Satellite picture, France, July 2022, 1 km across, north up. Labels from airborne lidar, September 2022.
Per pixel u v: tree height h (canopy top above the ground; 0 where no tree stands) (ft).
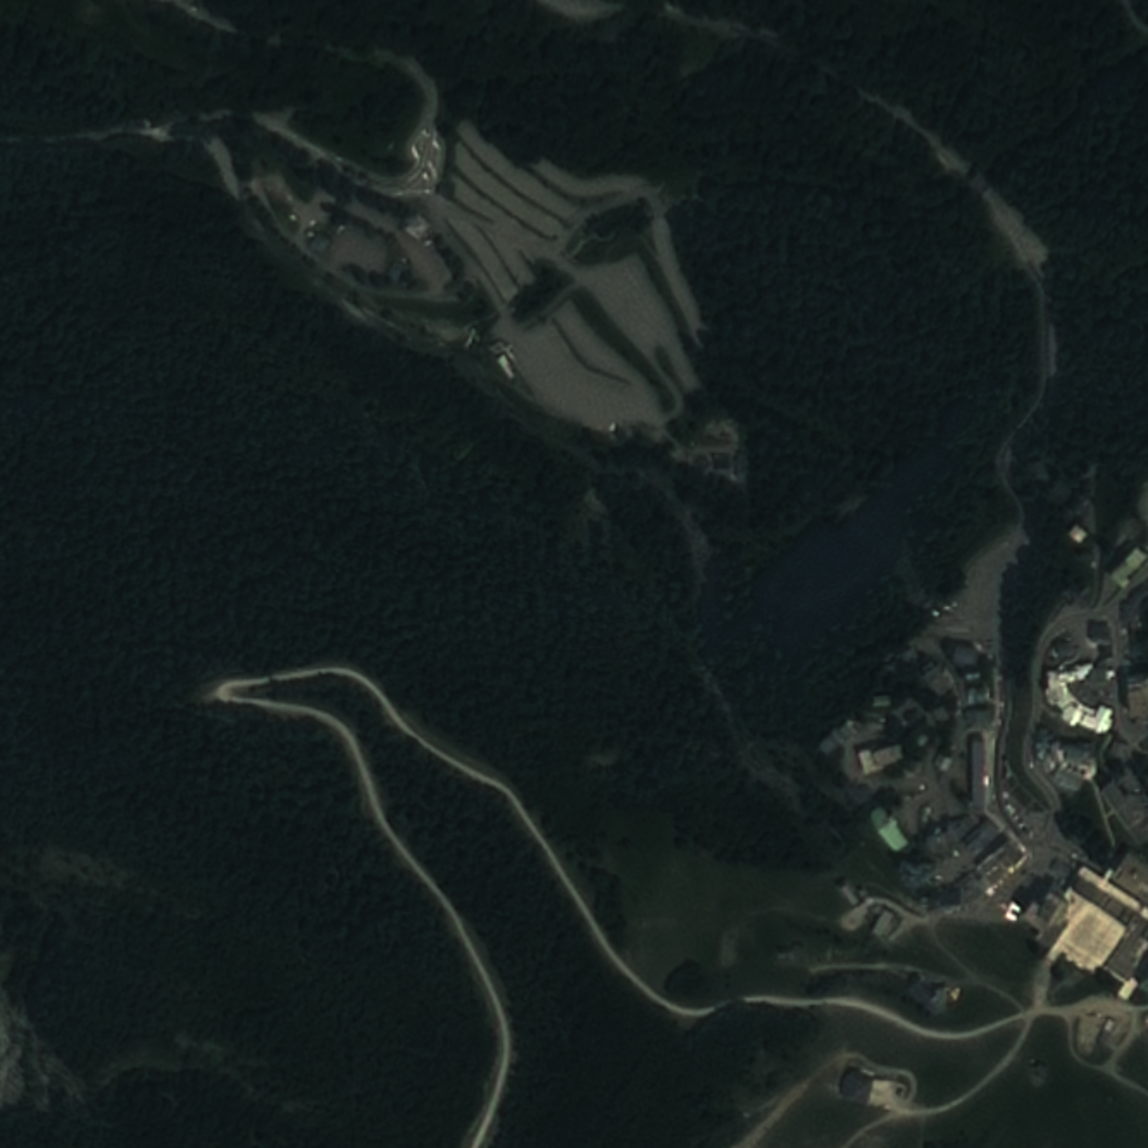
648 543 87
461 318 0
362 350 84
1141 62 61
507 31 48
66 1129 43
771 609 78
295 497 49
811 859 38
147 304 76
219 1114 52
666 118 22
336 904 59
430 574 37
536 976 44
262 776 55
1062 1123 0
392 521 73
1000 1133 0
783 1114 0
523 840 43
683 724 65
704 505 28
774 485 28
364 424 76
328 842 55
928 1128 0
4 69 93
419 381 76
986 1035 0
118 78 73
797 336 115
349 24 66
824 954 0
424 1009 41
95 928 31
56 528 62
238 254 78
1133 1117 0
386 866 74
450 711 75
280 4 64
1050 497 31
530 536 42
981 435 60
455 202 0
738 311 59
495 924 66
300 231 0
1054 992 0
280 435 75
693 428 28
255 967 34
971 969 0
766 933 0
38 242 47
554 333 0
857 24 37
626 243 0
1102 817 0
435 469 71
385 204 54
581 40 20
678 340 0
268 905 49
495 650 70
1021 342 46
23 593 55
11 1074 0
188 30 35
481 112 73
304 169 55
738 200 65
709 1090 32
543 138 26
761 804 47
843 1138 0
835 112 95
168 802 55
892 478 42
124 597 73
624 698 64
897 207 64
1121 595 0
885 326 91
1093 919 0
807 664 48
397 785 59
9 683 61
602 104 71
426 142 0
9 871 29
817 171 109
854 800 24
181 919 23
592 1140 38
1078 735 0
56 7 28
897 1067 0
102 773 53
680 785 41
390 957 48
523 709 49
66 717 54
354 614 55
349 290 0
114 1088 43
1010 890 0
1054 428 30
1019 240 0
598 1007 65
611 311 0
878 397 97
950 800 0
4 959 0
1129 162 84
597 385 0
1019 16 89
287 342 74
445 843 73
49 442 59
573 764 43
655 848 0
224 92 88
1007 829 0
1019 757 0
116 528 82
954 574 67
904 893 0
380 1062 50
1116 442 80
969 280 69
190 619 77
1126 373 27
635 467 77
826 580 42
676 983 44
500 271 0
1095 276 83
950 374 43
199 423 80
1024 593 70
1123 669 0
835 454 53
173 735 66
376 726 51
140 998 27
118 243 68
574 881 0
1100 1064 0
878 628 80
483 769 0
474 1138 0
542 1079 31
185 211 41
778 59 50
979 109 93
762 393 18
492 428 80
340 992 46
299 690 31
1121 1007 0
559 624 64
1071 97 92
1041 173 83
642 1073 44
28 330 71
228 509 60
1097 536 0
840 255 90
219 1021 27
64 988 49
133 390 77
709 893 0
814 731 48
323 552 57
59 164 75
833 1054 0
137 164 49
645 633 72
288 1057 41
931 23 37
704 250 84
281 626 70
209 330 67
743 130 84
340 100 0
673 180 0
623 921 35
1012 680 45
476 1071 48
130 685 62
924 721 41
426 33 64
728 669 46
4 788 77
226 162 0
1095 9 96
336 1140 52
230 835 62
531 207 0
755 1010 42
